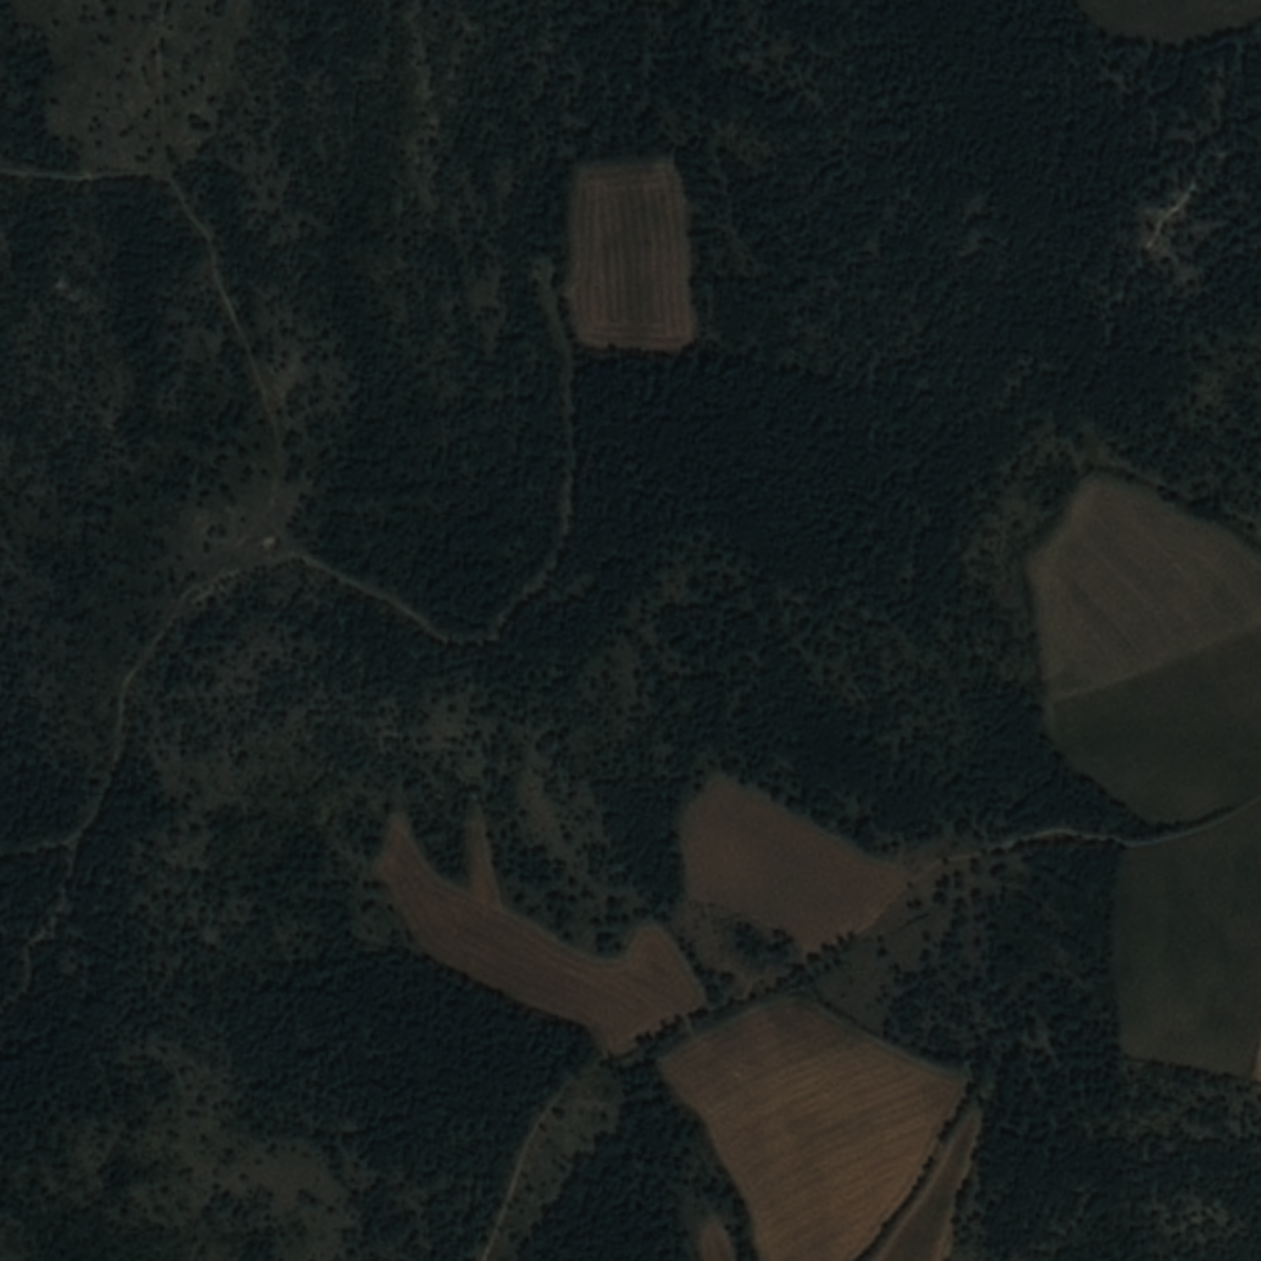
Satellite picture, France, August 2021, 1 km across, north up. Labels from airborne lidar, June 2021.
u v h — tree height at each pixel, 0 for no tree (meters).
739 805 0
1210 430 7
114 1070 11
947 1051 7
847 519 13
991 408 8
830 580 8
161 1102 7
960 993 6
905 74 11
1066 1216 9
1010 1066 12
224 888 5
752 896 0
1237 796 0
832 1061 0
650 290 0
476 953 0
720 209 6
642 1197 10
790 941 9
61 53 0
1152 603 0
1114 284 8
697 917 0
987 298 8
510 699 9
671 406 14
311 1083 9
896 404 8
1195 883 0
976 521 7
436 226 6
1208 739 0
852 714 7
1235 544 0
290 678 6
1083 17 9
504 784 10
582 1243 9
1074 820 9
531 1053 13
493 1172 8
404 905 0
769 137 6
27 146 7
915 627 8
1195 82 13
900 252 9
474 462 9
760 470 10
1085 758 0
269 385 0
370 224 7
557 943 0
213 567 0
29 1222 11
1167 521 0
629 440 14
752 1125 0
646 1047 10
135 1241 7
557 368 6
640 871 8
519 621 10
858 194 6
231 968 8
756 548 10
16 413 5
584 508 12
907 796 9
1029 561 0
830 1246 0
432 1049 12
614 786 11
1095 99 9
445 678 9
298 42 7
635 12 9
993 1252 6
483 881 0
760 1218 0
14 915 7
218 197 9
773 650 10
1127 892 0
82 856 11
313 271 7
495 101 6
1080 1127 7
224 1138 0
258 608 7
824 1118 0
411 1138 9
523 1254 9
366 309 7
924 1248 0
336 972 16
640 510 11
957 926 8
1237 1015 0
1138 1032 0
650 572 7
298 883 8
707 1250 0
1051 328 11
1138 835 11
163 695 6
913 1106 0
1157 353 9
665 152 6
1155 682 0
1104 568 0
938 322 8
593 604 10
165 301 7
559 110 6
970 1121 0
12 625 6
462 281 9
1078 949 7
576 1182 11
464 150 11
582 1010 0
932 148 8
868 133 7
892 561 7
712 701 7
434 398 7
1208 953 0
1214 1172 9
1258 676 0
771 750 7
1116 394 9
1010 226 9
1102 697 0
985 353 9
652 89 7
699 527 9
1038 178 8
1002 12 13
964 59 9
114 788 6
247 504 0
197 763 0
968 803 8
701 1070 0
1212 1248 10
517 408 8
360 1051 8
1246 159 12
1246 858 0
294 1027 9
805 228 9
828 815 8
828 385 11
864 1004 0
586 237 0
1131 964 0
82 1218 8
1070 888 9
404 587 6
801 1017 0
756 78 6
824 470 11
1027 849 8
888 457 13
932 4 12
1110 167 13
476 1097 13
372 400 10
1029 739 12
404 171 7
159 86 0
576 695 10
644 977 0
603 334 0
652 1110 11
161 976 7
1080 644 0
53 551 6
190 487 8
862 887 0
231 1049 7
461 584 8
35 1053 13
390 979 10
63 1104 10
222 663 6
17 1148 8
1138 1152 8
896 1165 0
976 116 10
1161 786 0
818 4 5
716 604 7
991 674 7
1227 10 0
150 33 0
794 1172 0
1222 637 0
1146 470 8
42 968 7
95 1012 11
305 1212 0
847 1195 0
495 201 8
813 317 6
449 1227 7
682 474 10
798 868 0
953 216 8
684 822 0
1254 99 12
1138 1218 8
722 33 8
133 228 6
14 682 7
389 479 7
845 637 10
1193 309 10
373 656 10
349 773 8
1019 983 0
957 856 0
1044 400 9
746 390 12
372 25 8
